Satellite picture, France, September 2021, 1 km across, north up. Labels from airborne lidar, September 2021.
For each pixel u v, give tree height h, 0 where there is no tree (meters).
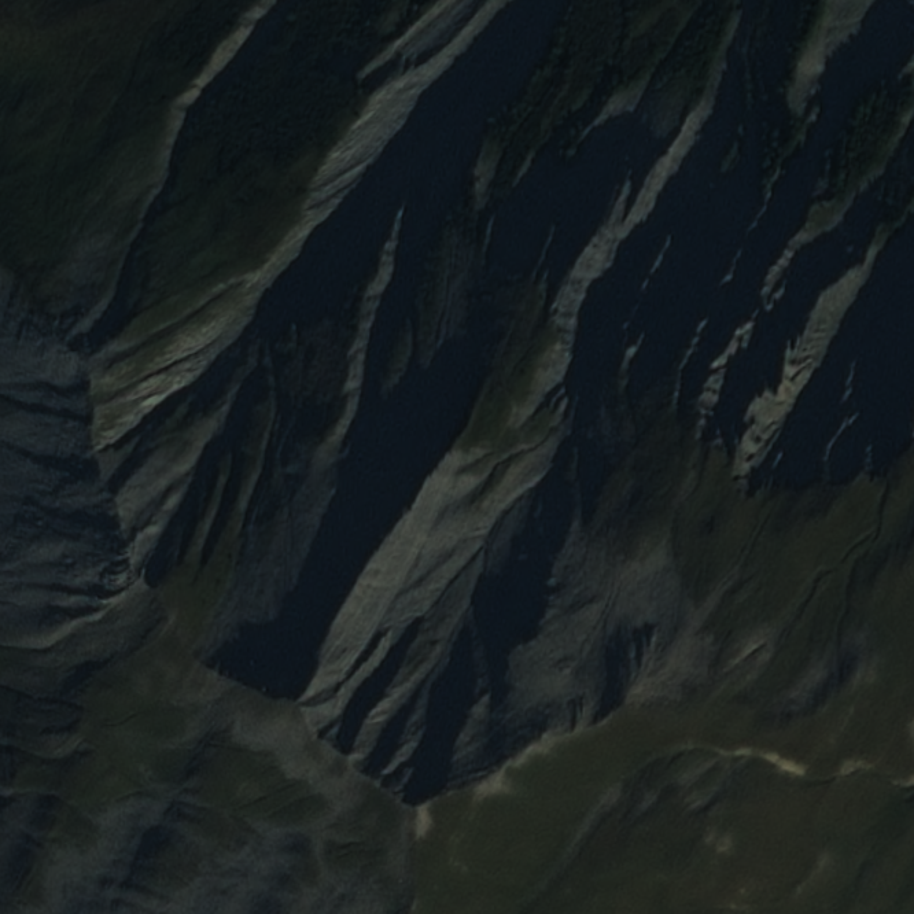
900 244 0
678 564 0
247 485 0
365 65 0
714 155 0
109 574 0
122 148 0
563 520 0
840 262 0
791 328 0
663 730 0
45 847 0
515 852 0
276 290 0
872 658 0
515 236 0
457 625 0
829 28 0
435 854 0
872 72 0
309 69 5
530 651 0
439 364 0
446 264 0
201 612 0
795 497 0
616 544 0
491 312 0
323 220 0
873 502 0
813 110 10
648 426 0
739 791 0
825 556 0
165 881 0
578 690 0
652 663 0
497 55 0
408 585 0
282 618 0
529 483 0
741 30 0
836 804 0
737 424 0
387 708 0
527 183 0
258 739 0
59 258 0
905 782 0
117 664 0
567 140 6
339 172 0
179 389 0
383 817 0
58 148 0
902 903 0
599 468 0
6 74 0
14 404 0
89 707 0
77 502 0
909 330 0
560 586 0
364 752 0
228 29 6
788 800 0
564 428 0
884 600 0
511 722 0
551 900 0
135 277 0
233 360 0
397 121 0
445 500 0
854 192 0
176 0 0
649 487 0
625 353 0
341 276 0
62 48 0
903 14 0
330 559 0
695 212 0
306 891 0
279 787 0
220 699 0
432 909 0
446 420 0
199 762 0
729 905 0
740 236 0
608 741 0
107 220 0
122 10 0
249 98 6
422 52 0
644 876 0
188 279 0
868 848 0
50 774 0
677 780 0
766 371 0
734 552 0
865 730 0
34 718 0
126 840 0
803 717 0
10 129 0
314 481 0
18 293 0
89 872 0
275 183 0
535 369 0
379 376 0
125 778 0
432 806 0
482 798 0
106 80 0
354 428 0
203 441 0
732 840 0
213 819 0
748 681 0
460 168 0
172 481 0
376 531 0
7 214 0
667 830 0
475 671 0
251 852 0
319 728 0
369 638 0
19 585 0
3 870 0
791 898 0
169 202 0
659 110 0
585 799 0
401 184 0
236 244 0
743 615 0
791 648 0
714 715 0
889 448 0
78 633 0
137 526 0
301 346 0
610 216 0
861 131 7
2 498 0
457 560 0
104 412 0
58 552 0
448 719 0
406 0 6
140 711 0
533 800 0
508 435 0
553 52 12
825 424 0
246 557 0
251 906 0
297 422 0
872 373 0
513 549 0
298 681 0
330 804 0
